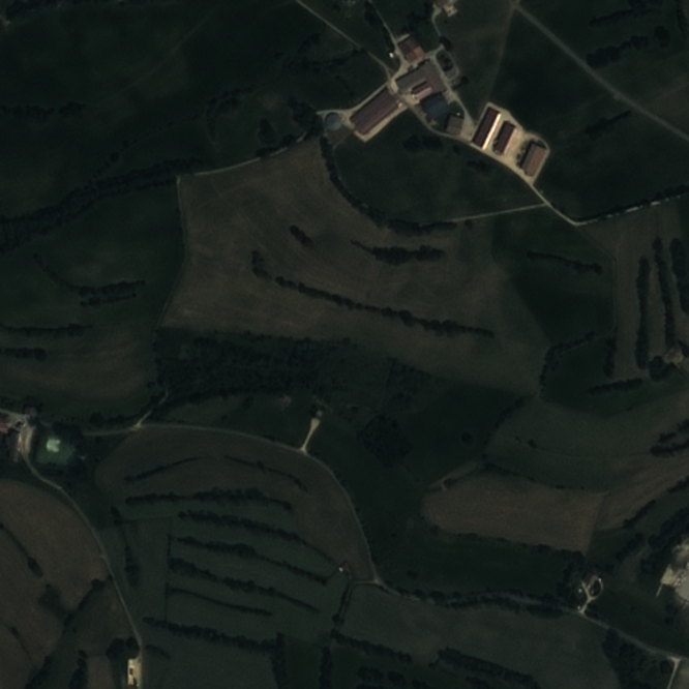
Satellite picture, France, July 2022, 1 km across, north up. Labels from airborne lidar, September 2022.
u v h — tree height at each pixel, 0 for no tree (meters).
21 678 0
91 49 0
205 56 0
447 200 0
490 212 0
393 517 0
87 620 0
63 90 0
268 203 0
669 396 0
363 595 0
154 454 0
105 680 0
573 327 0
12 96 0
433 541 0
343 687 0
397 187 0
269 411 0
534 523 0
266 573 0
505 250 0
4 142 0
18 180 0
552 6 0
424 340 0
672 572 0
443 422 0
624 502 0
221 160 0
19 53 0
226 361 24
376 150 0
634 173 0
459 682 0
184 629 6
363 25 0
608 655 18
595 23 7
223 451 0
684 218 0
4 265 0
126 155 0
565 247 0
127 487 0
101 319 0
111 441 0
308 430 0
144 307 0
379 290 0
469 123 0
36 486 0
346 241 0
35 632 0
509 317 0
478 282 0
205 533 0
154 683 0
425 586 0
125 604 0
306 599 0
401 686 16
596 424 0
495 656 0
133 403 0
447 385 0
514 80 0
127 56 0
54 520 0
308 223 0
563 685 0
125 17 0
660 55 0
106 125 0
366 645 15
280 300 0
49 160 0
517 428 0
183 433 0
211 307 0
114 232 0
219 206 0
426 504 0
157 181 9
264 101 0
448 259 0
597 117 0
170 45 0
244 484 0
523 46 0
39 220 23
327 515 0
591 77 0
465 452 0
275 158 0
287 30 0
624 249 0
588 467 0
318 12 0
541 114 0
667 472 0
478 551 0
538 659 0
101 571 0
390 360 12
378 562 11
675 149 0
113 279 0
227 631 0
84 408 0
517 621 0
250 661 0
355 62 0
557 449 0
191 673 0
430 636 0
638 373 0
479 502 0
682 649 0
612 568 11
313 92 0
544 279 0
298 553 0
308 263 0
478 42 0
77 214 17
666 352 0
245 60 0
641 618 0
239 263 0
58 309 0
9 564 0
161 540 0
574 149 0
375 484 0
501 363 0
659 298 0
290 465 0
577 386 0
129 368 0
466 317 0
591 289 0
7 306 0
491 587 0
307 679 0
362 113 0
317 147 0
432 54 0
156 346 7
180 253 0
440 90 0
